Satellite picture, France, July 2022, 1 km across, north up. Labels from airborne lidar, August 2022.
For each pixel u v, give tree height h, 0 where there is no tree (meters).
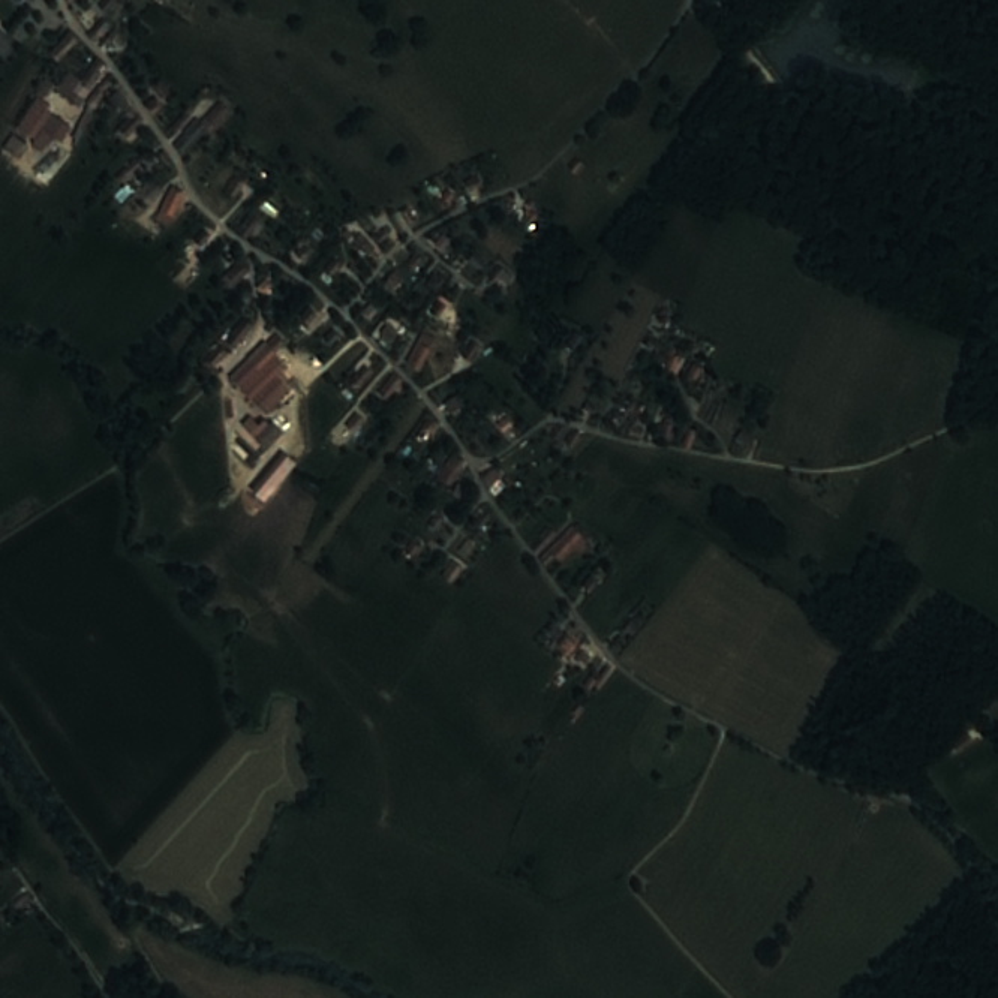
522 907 0
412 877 0
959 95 24
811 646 0
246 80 0
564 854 0
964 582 0
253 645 0
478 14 0
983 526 0
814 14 0
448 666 0
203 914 13
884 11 27
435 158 0
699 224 0
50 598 0
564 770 0
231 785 0
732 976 0
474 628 0
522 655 0
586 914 0
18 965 0
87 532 0
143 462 17
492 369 0
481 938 0
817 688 0
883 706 27
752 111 26
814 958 0
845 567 0
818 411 0
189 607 19
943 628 25
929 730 25
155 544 15
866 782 22
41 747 0
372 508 0
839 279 15
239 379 0
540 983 0
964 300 5
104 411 13
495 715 0
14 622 0
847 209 28
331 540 0
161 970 0
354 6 0
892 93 24
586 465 0
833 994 0
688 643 0
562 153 0
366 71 0
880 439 0
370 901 0
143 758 0
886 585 12
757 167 23
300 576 0
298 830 0
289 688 0
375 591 0
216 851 0
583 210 0
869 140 23
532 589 0
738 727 0
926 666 22
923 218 24
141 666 0
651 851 0
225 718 0
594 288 0
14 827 13
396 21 0
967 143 25
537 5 0
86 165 9
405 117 0
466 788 0
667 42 6
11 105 0
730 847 0
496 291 11
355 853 0
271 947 11
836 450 0
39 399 0
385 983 0
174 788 0
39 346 11
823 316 0
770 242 0
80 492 0
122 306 0
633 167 0
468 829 0
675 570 0
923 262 24
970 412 15
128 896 16
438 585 0
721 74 14
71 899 0
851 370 0
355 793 0
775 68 0
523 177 0
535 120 0
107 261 0
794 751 12
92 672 0
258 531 0
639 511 0
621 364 0
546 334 25
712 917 0
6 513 0
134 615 0
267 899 0
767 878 0
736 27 24
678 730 9
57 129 0
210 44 0
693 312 0
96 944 0
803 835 0
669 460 0
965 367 10
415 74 0
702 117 24
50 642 0
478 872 0
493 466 11
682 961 0
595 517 0
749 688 0
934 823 15
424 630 0
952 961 24
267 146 0
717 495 12
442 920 0
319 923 0
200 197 0
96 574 0
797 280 0
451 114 0
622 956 0
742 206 11
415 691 0
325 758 0
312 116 0
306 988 0
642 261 14
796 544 0
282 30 0
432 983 0
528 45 0
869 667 22
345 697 0
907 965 16
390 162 9
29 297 0
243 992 0
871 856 0
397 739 0
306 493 0
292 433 0
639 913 0
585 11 0
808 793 0
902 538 0
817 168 24
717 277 0
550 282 23
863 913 0
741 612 0
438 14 0
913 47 22
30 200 0
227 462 0
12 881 0
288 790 0
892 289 24
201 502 0
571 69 0
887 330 0
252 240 8
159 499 0
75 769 0
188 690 0
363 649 0
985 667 25
